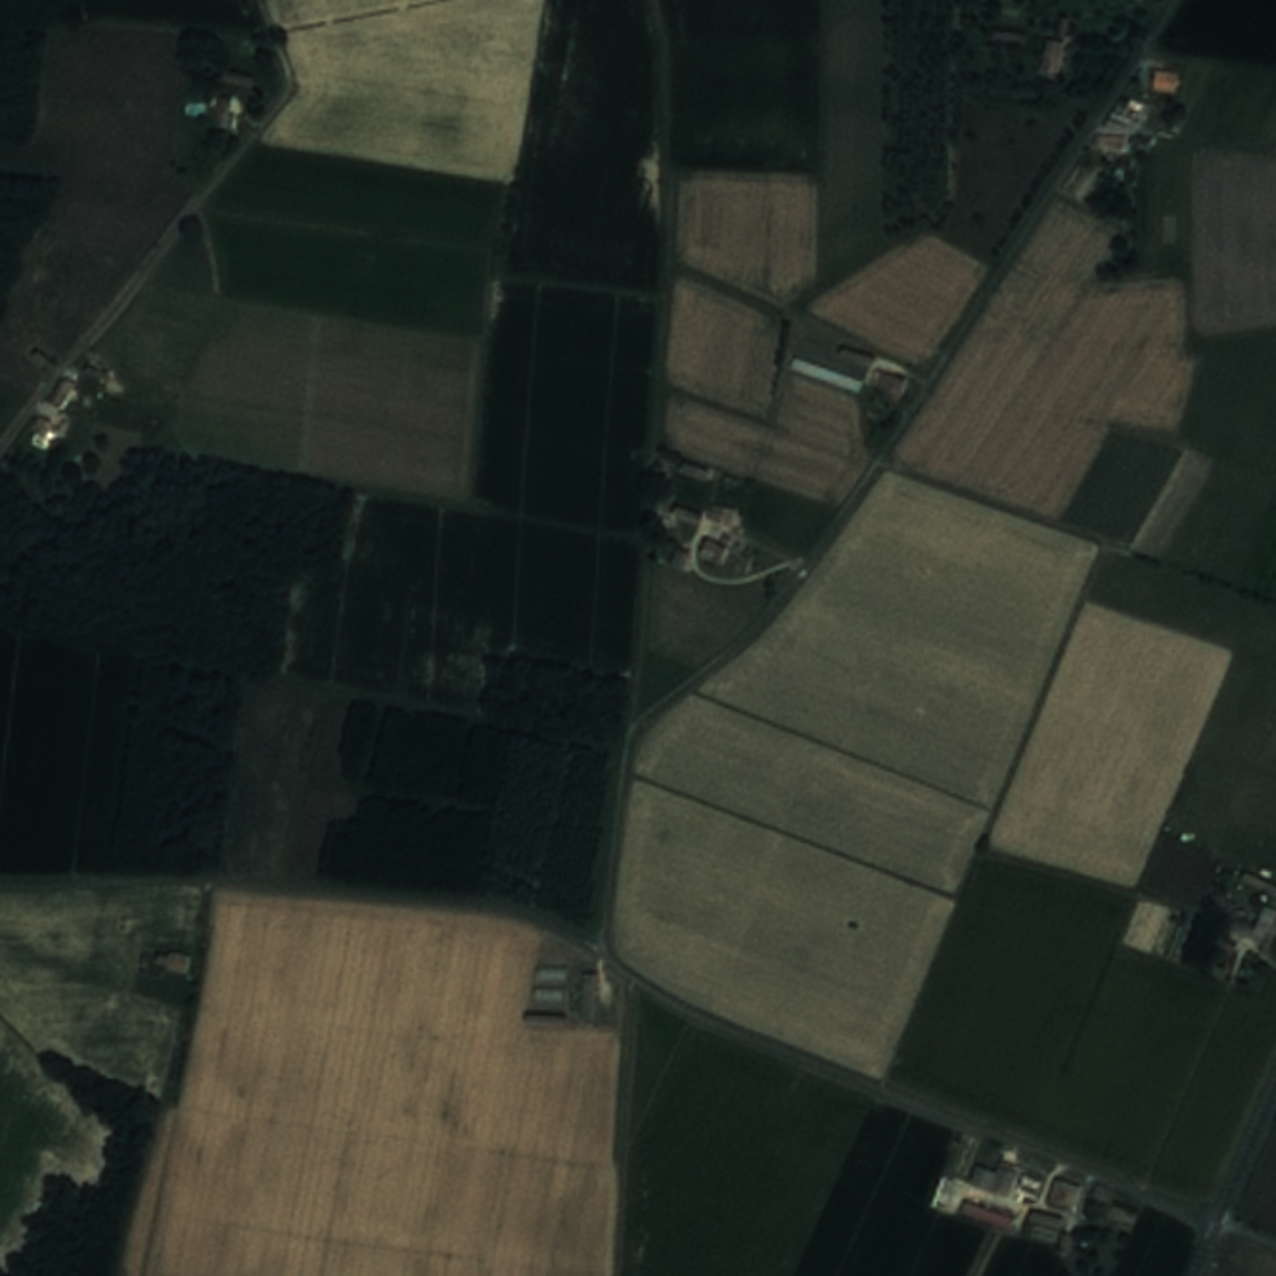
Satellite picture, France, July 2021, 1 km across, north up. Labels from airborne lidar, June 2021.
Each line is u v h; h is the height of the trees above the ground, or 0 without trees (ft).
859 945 0
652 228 0
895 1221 0
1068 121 0
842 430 0
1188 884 0
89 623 63
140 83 0
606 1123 0
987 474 0
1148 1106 0
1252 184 0
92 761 0
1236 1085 0
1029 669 0
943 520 0
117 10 0
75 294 0
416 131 0
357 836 38
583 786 31
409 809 31
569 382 0
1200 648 0
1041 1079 0
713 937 0
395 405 0
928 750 0
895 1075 0
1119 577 0
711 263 0
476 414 0
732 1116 0
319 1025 0
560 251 0
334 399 0
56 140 0
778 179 0
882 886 0
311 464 0
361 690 0
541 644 0
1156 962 0
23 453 25
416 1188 0
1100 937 0
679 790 0
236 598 74
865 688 0
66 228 0
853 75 0
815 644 0
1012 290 0
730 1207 0
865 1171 0
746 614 0
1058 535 0
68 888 0
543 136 0
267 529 56
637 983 0
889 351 0
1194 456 0
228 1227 0
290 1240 0
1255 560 0
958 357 0
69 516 33
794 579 0
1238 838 0
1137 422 0
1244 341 0
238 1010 0
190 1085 0
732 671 0
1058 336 0
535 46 0
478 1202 0
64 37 0
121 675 0
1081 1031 0
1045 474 0
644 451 0
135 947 0
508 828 52
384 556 0
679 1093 0
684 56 0
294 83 0
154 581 73
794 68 0
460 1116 0
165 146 0
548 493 0
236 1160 0
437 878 38
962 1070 0
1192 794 0
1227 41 0
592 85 0
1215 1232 0
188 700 59
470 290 0
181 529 72
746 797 0
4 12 67
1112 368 0
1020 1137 0
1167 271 0
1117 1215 0
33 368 0
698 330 0
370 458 0
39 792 0
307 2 0
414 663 0
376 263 0
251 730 0
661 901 0
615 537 0
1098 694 0
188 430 0
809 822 0
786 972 0
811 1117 0
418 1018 0
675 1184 0
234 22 0
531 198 0
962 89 41
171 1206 0
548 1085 0
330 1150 0
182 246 0
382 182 0
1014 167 0
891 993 0
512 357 0
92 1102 55
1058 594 0
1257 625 0
